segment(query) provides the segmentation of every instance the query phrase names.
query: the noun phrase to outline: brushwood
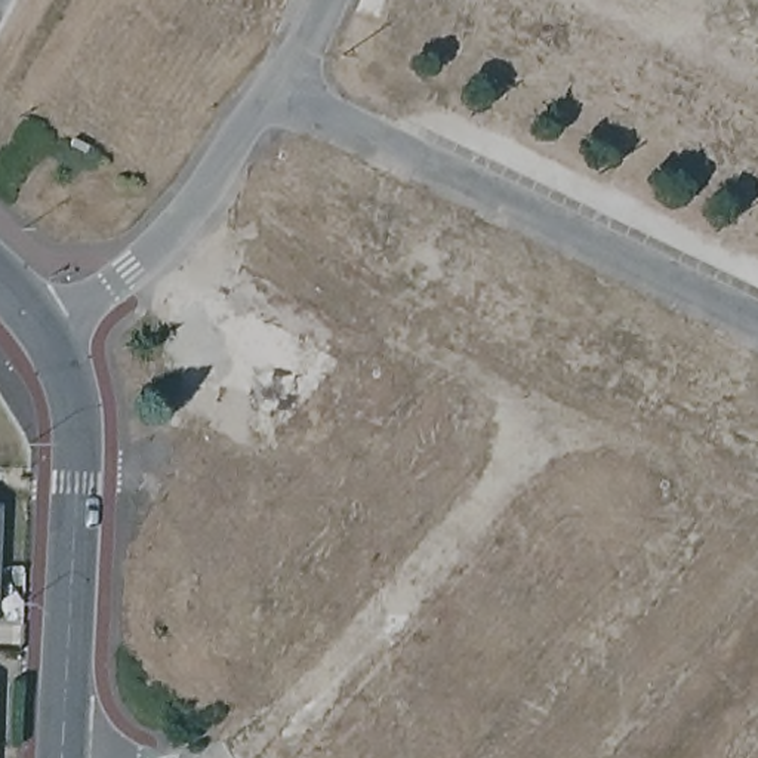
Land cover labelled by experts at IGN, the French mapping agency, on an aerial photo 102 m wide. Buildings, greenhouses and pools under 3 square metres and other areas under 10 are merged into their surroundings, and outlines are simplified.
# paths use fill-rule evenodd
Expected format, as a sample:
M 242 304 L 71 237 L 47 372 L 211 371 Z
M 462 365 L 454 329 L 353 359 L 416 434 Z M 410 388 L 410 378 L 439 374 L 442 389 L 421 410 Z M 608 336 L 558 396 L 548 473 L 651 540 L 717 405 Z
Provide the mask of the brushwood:
M 115 696 L 142 731 L 166 737 L 166 702 L 178 696 L 166 684 L 151 681 L 139 657 L 124 645 L 115 651 Z

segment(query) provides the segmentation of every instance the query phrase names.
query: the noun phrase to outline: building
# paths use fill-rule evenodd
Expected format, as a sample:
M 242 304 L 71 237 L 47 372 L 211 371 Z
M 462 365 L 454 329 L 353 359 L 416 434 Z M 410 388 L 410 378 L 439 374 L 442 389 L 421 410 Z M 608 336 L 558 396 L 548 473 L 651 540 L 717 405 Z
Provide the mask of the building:
M 3 566 L 3 506 L 0 506 L 0 566 Z

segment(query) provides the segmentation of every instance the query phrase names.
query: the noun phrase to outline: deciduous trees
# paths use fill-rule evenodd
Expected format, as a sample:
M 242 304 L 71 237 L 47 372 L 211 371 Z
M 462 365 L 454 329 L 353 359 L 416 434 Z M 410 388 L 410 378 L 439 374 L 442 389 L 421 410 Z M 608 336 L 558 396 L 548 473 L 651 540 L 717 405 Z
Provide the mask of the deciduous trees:
M 163 346 L 178 332 L 178 323 L 160 323 L 142 323 L 142 329 L 130 335 L 130 349 L 139 358 L 151 358 L 151 352 Z
M 557 139 L 566 130 L 563 124 L 539 113 L 533 121 L 536 139 Z
M 663 166 L 657 166 L 648 178 L 654 198 L 663 207 L 669 207 L 684 207 L 702 190 L 684 172 L 666 172 Z
M 98 169 L 101 157 L 92 148 L 74 151 L 68 136 L 59 136 L 59 130 L 44 115 L 27 115 L 18 124 L 12 142 L 0 148 L 0 201 L 15 204 L 27 175 L 41 160 L 56 160 L 56 181 L 68 184 L 80 172 Z
M 201 752 L 210 743 L 207 731 L 231 714 L 228 705 L 213 702 L 207 708 L 198 708 L 195 699 L 178 696 L 166 702 L 166 737 L 172 746 L 187 746 L 195 752 Z
M 731 225 L 743 213 L 737 198 L 725 192 L 725 187 L 720 187 L 720 192 L 705 207 L 711 225 L 717 228 Z
M 500 92 L 494 92 L 483 71 L 477 71 L 465 83 L 462 98 L 468 107 L 474 113 L 486 113 L 500 98 Z
M 438 74 L 444 68 L 444 62 L 435 53 L 420 50 L 412 62 L 417 74 Z
M 151 385 L 142 385 L 139 400 L 127 406 L 127 417 L 136 415 L 154 432 L 157 423 L 175 415 L 175 409 L 169 409 L 163 397 L 151 391 Z
M 6 675 L 6 746 L 21 746 L 27 740 L 27 687 L 18 678 Z
M 616 169 L 625 160 L 613 145 L 598 142 L 589 133 L 580 142 L 580 154 L 586 163 L 595 169 Z

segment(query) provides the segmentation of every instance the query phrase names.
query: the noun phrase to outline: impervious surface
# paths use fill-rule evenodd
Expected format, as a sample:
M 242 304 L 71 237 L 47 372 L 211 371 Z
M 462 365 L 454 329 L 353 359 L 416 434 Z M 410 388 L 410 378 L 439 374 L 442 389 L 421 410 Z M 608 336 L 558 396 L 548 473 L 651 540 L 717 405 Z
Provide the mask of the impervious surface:
M 533 148 L 515 142 L 512 136 L 477 124 L 471 118 L 474 113 L 468 107 L 465 113 L 447 113 L 438 107 L 432 113 L 406 115 L 391 101 L 376 107 L 367 98 L 349 95 L 338 83 L 335 59 L 355 56 L 355 47 L 343 47 L 341 41 L 361 0 L 284 0 L 281 24 L 272 27 L 284 36 L 281 44 L 269 47 L 266 59 L 237 92 L 237 101 L 219 121 L 219 127 L 198 136 L 195 148 L 190 151 L 195 163 L 192 172 L 172 190 L 169 204 L 142 228 L 130 222 L 130 228 L 110 243 L 56 243 L 50 237 L 36 234 L 15 204 L 0 201 L 0 409 L 6 412 L 24 456 L 15 468 L 6 468 L 0 474 L 0 480 L 9 489 L 33 494 L 27 506 L 27 551 L 24 557 L 15 557 L 9 592 L 0 589 L 0 651 L 27 660 L 27 672 L 21 672 L 18 678 L 27 687 L 27 740 L 21 746 L 6 746 L 6 758 L 240 758 L 231 749 L 210 743 L 201 752 L 195 752 L 187 746 L 172 746 L 166 737 L 142 731 L 115 696 L 115 651 L 124 645 L 124 551 L 136 539 L 139 521 L 151 509 L 148 500 L 160 494 L 160 483 L 172 483 L 175 477 L 169 447 L 154 432 L 136 415 L 127 417 L 127 406 L 115 358 L 115 338 L 118 326 L 139 305 L 151 302 L 157 284 L 187 266 L 187 258 L 207 234 L 213 234 L 219 225 L 228 225 L 234 198 L 246 184 L 246 166 L 255 145 L 264 142 L 272 130 L 305 133 L 305 127 L 314 127 L 317 133 L 335 136 L 338 142 L 355 148 L 361 160 L 373 157 L 376 169 L 412 184 L 423 184 L 435 195 L 471 207 L 486 222 L 494 222 L 500 228 L 518 228 L 524 237 L 542 243 L 545 249 L 554 249 L 554 243 L 566 243 L 577 255 L 598 261 L 631 281 L 643 281 L 681 305 L 693 305 L 705 317 L 714 317 L 722 329 L 734 329 L 743 338 L 749 338 L 758 349 L 758 258 L 720 246 L 720 240 L 714 237 L 717 228 L 711 225 L 708 231 L 693 231 L 669 213 L 669 207 L 663 207 L 654 198 L 648 204 L 610 187 L 595 169 L 586 163 L 580 172 L 571 172 L 554 160 L 545 160 Z

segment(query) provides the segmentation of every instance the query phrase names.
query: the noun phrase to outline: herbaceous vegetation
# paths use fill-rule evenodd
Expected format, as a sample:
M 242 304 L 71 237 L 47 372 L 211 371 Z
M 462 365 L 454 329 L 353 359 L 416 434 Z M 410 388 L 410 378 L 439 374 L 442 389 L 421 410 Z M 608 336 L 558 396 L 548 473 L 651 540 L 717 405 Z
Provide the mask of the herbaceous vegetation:
M 27 672 L 27 660 L 0 651 L 0 758 L 6 758 L 6 746 L 6 675 L 18 678 L 21 672 Z
M 450 379 L 447 370 L 435 367 L 438 358 L 456 352 L 477 361 L 483 370 L 506 379 L 509 385 L 521 388 L 521 397 L 542 394 L 566 409 L 583 412 L 589 420 L 607 423 L 616 432 L 628 432 L 634 438 L 648 438 L 651 444 L 648 450 L 637 450 L 634 456 L 622 456 L 616 447 L 571 450 L 548 459 L 548 465 L 539 474 L 533 474 L 530 483 L 518 486 L 512 500 L 492 518 L 489 533 L 477 542 L 477 560 L 456 563 L 447 571 L 447 580 L 429 598 L 423 598 L 417 613 L 409 616 L 406 628 L 394 634 L 394 643 L 382 643 L 338 687 L 338 693 L 349 699 L 349 708 L 329 725 L 323 743 L 314 746 L 311 758 L 758 758 L 758 349 L 749 338 L 743 338 L 734 329 L 722 329 L 714 317 L 705 317 L 693 305 L 681 305 L 643 281 L 631 281 L 598 261 L 577 255 L 566 243 L 554 243 L 554 249 L 545 249 L 542 243 L 524 237 L 518 228 L 500 228 L 494 222 L 486 222 L 471 207 L 435 195 L 423 184 L 412 184 L 376 169 L 373 157 L 361 160 L 355 148 L 338 142 L 335 136 L 317 133 L 314 127 L 305 127 L 305 133 L 272 130 L 264 142 L 255 145 L 246 166 L 246 184 L 234 198 L 228 225 L 255 225 L 258 237 L 246 240 L 246 261 L 240 272 L 252 278 L 255 290 L 264 293 L 269 305 L 293 305 L 296 314 L 314 311 L 317 320 L 329 329 L 329 355 L 335 358 L 335 367 L 323 373 L 317 391 L 293 400 L 293 406 L 287 409 L 290 420 L 275 426 L 275 447 L 249 456 L 225 432 L 213 429 L 207 417 L 198 417 L 184 406 L 201 388 L 210 370 L 181 370 L 163 346 L 151 352 L 151 358 L 139 358 L 130 349 L 130 335 L 142 329 L 142 323 L 160 323 L 151 311 L 151 302 L 139 305 L 118 326 L 115 338 L 115 358 L 127 406 L 139 400 L 142 385 L 151 385 L 151 391 L 163 397 L 169 409 L 175 409 L 175 415 L 157 423 L 154 432 L 169 447 L 175 477 L 172 483 L 160 483 L 160 494 L 148 500 L 151 509 L 139 521 L 136 539 L 124 551 L 124 645 L 139 657 L 151 681 L 166 684 L 178 696 L 195 699 L 198 708 L 207 708 L 213 702 L 228 705 L 231 714 L 207 731 L 210 743 L 231 749 L 237 740 L 249 740 L 249 734 L 264 731 L 258 708 L 269 708 L 272 702 L 278 702 L 290 687 L 299 684 L 299 678 L 308 669 L 320 663 L 320 657 L 332 648 L 335 640 L 343 637 L 346 625 L 367 607 L 367 601 L 397 577 L 400 563 L 409 554 L 415 554 L 420 542 L 429 536 L 429 530 L 438 527 L 456 503 L 468 500 L 471 489 L 483 480 L 492 459 L 497 420 L 483 423 L 483 429 L 465 426 L 465 420 L 471 417 L 471 391 L 468 385 Z
M 0 506 L 3 506 L 3 566 L 0 566 L 0 589 L 9 592 L 15 557 L 24 557 L 27 551 L 27 506 L 33 494 L 9 489 L 0 480 Z
M 237 101 L 237 92 L 266 59 L 269 47 L 281 44 L 284 36 L 272 27 L 281 24 L 284 0 L 0 0 L 0 148 L 12 142 L 18 124 L 27 115 L 44 115 L 59 130 L 59 136 L 68 136 L 74 151 L 92 148 L 101 157 L 98 169 L 80 172 L 68 184 L 56 181 L 56 160 L 41 160 L 27 175 L 15 204 L 36 234 L 50 237 L 56 243 L 110 243 L 130 228 L 130 222 L 142 228 L 169 204 L 172 190 L 192 172 L 195 163 L 190 151 L 195 148 L 198 136 L 219 127 L 219 121 Z
M 15 468 L 24 456 L 6 412 L 0 409 L 0 474 L 6 468 Z
M 720 187 L 725 187 L 725 192 L 737 198 L 743 213 L 731 225 L 717 228 L 714 237 L 720 240 L 720 246 L 758 258 L 758 0 L 361 0 L 341 41 L 343 47 L 355 47 L 355 56 L 335 59 L 338 83 L 349 95 L 367 98 L 376 107 L 391 101 L 406 115 L 432 113 L 438 107 L 447 113 L 465 113 L 468 107 L 462 98 L 465 83 L 477 71 L 483 71 L 494 92 L 500 92 L 500 98 L 486 113 L 474 113 L 471 118 L 477 124 L 512 136 L 515 142 L 533 148 L 545 160 L 554 160 L 571 172 L 580 172 L 586 163 L 580 154 L 580 142 L 589 133 L 598 142 L 613 145 L 625 160 L 616 169 L 595 169 L 610 187 L 648 204 L 654 198 L 648 178 L 657 166 L 663 166 L 666 172 L 684 172 L 702 190 L 684 207 L 669 207 L 669 213 L 693 231 L 708 231 L 711 225 L 705 207 L 720 192 Z M 438 74 L 417 74 L 412 62 L 420 50 L 435 53 L 444 62 L 444 68 Z M 536 139 L 533 121 L 539 113 L 563 124 L 566 130 L 557 139 Z

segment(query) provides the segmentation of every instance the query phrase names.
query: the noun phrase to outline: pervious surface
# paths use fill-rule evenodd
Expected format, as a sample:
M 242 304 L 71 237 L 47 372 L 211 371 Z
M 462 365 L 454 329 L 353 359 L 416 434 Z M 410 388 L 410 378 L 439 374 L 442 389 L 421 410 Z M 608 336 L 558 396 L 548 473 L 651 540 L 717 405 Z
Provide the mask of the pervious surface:
M 415 554 L 409 554 L 400 563 L 397 577 L 367 601 L 367 607 L 346 625 L 343 637 L 335 640 L 332 648 L 320 657 L 320 663 L 308 669 L 299 678 L 299 684 L 290 687 L 278 702 L 272 702 L 269 708 L 258 708 L 264 731 L 249 734 L 249 740 L 237 740 L 231 749 L 240 758 L 311 758 L 314 746 L 323 743 L 329 725 L 349 708 L 349 699 L 338 693 L 338 687 L 382 643 L 394 643 L 394 634 L 406 628 L 409 616 L 417 613 L 423 598 L 429 598 L 447 580 L 447 571 L 456 563 L 477 560 L 477 542 L 489 533 L 492 518 L 512 500 L 518 486 L 530 483 L 533 474 L 539 474 L 548 465 L 548 459 L 571 450 L 616 447 L 622 456 L 634 456 L 637 450 L 648 450 L 651 444 L 648 438 L 634 438 L 628 432 L 616 432 L 607 423 L 589 420 L 583 412 L 566 409 L 542 394 L 521 397 L 521 388 L 509 385 L 506 379 L 483 370 L 477 361 L 456 352 L 438 358 L 435 367 L 447 370 L 450 379 L 468 385 L 471 391 L 471 417 L 465 420 L 465 426 L 483 429 L 483 423 L 497 420 L 492 459 L 483 480 L 471 489 L 468 500 L 456 503 L 438 527 L 429 530 L 429 536 L 420 542 Z
M 317 391 L 323 373 L 335 367 L 335 358 L 329 355 L 329 329 L 317 320 L 314 311 L 296 314 L 293 305 L 269 305 L 264 293 L 255 290 L 252 278 L 240 272 L 246 261 L 246 240 L 258 237 L 255 225 L 228 225 L 219 225 L 213 234 L 207 234 L 187 258 L 187 266 L 157 284 L 151 302 L 151 311 L 160 323 L 178 323 L 178 332 L 163 346 L 181 370 L 210 370 L 201 388 L 184 406 L 198 417 L 207 417 L 213 429 L 225 432 L 249 456 L 275 447 L 275 426 L 290 420 L 287 409 L 293 406 L 293 400 Z

